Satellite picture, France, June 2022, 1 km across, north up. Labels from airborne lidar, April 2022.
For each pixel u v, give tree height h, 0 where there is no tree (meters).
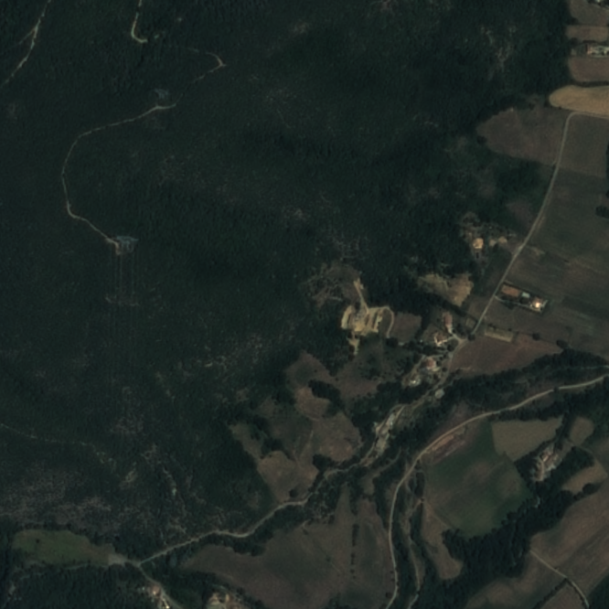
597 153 0
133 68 8
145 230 10
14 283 8
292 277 9
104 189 8
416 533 11
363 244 6
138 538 11
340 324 13
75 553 0
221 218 7
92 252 6
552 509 13
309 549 0
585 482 0
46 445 6
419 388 13
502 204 10
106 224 9
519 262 0
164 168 6
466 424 0
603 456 0
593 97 0
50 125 7
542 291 0
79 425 7
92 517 6
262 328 6
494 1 10
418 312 13
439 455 0
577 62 0
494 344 0
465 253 8
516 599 0
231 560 0
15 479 6
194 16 7
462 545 8
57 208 7
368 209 6
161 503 7
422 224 11
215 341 7
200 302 8
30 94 6
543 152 0
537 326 0
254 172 6
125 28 6
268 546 0
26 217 7
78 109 6
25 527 7
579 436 0
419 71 6
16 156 7
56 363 6
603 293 0
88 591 10
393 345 18
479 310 0
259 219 10
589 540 0
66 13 10
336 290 6
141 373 6
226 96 6
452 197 10
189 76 8
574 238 0
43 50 7
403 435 14
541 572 0
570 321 0
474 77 8
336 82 7
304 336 7
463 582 7
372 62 13
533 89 16
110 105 10
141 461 7
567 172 0
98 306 6
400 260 11
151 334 7
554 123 0
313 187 6
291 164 7
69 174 9
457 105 10
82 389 8
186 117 8
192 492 7
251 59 6
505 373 9
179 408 9
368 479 0
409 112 8
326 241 7
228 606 0
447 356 10
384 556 0
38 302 6
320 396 12
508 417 9
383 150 9
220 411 9
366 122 7
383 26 7
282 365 12
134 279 8
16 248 6
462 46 6
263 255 8
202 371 6
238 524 8
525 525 11
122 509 6
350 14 8
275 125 7
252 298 7
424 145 11
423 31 9
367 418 19
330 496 9
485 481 0
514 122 0
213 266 11
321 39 9
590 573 0
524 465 8
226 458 13
